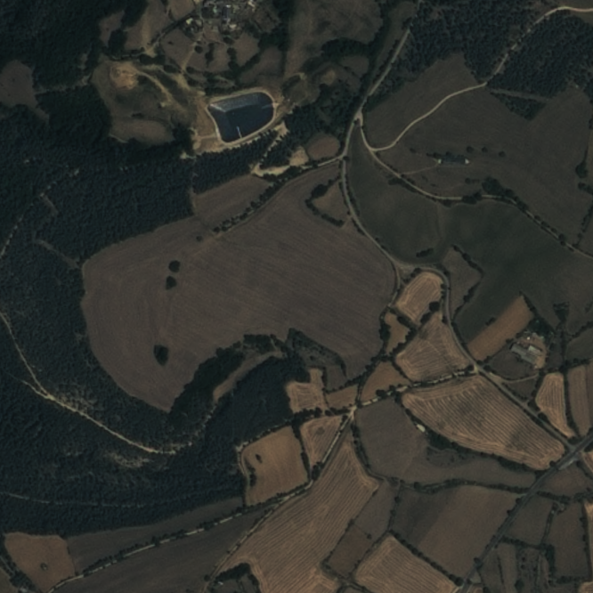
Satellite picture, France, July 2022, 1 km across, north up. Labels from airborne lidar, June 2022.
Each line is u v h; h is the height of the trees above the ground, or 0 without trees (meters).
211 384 14
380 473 0
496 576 0
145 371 0
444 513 0
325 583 0
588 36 12
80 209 11
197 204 0
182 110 0
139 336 0
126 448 8
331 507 0
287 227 0
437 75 0
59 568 0
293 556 0
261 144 10
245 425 14
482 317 0
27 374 8
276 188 7
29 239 10
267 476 0
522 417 0
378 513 0
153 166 19
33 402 10
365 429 0
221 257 0
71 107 9
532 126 0
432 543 0
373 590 0
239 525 0
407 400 0
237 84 8
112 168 15
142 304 0
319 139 0
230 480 8
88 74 7
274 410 13
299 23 0
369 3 0
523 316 0
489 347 0
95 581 0
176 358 0
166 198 15
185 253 0
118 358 0
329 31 0
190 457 16
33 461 10
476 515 0
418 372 0
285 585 0
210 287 0
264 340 9
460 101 0
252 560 0
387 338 11
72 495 7
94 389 11
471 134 0
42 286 11
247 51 0
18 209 17
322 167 0
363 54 8
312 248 0
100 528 12
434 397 0
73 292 9
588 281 0
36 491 8
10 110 17
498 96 9
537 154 0
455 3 14
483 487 0
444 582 0
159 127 0
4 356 13
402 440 0
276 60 0
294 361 17
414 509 0
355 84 0
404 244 0
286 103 0
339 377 0
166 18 0
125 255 0
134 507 9
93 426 10
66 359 9
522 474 0
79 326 13
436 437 7
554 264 0
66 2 16
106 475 7
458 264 0
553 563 5
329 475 0
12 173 11
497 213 0
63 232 10
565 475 0
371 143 0
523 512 0
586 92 7
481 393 0
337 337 0
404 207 0
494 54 11
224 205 0
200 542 0
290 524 0
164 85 0
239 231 0
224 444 7
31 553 0
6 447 22
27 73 0
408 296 0
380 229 0
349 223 0
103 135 18
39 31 9
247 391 16
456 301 0
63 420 10
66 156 17
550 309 0
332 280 0
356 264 0
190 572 0
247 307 0
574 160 0
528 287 0
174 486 10
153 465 6
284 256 0
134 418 12
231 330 0
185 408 14
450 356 0
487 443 0
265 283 0
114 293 0
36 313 7
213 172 17
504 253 0
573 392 0
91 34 18
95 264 0
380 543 0
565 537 0
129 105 0
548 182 0
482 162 0
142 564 0
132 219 9
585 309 0
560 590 0
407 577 0
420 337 0
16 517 9
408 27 11
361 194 0
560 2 0
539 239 0
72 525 12
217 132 0
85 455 10
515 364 0
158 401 0
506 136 0
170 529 0
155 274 0
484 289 0
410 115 0
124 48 9
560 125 0
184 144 25
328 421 0
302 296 0
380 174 0
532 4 9
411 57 8
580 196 0
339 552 0
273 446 0
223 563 0
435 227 0
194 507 12
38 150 20
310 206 12
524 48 8
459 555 0
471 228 0
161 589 0
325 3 0
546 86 11
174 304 0
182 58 0
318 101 7
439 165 0
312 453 0
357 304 0
